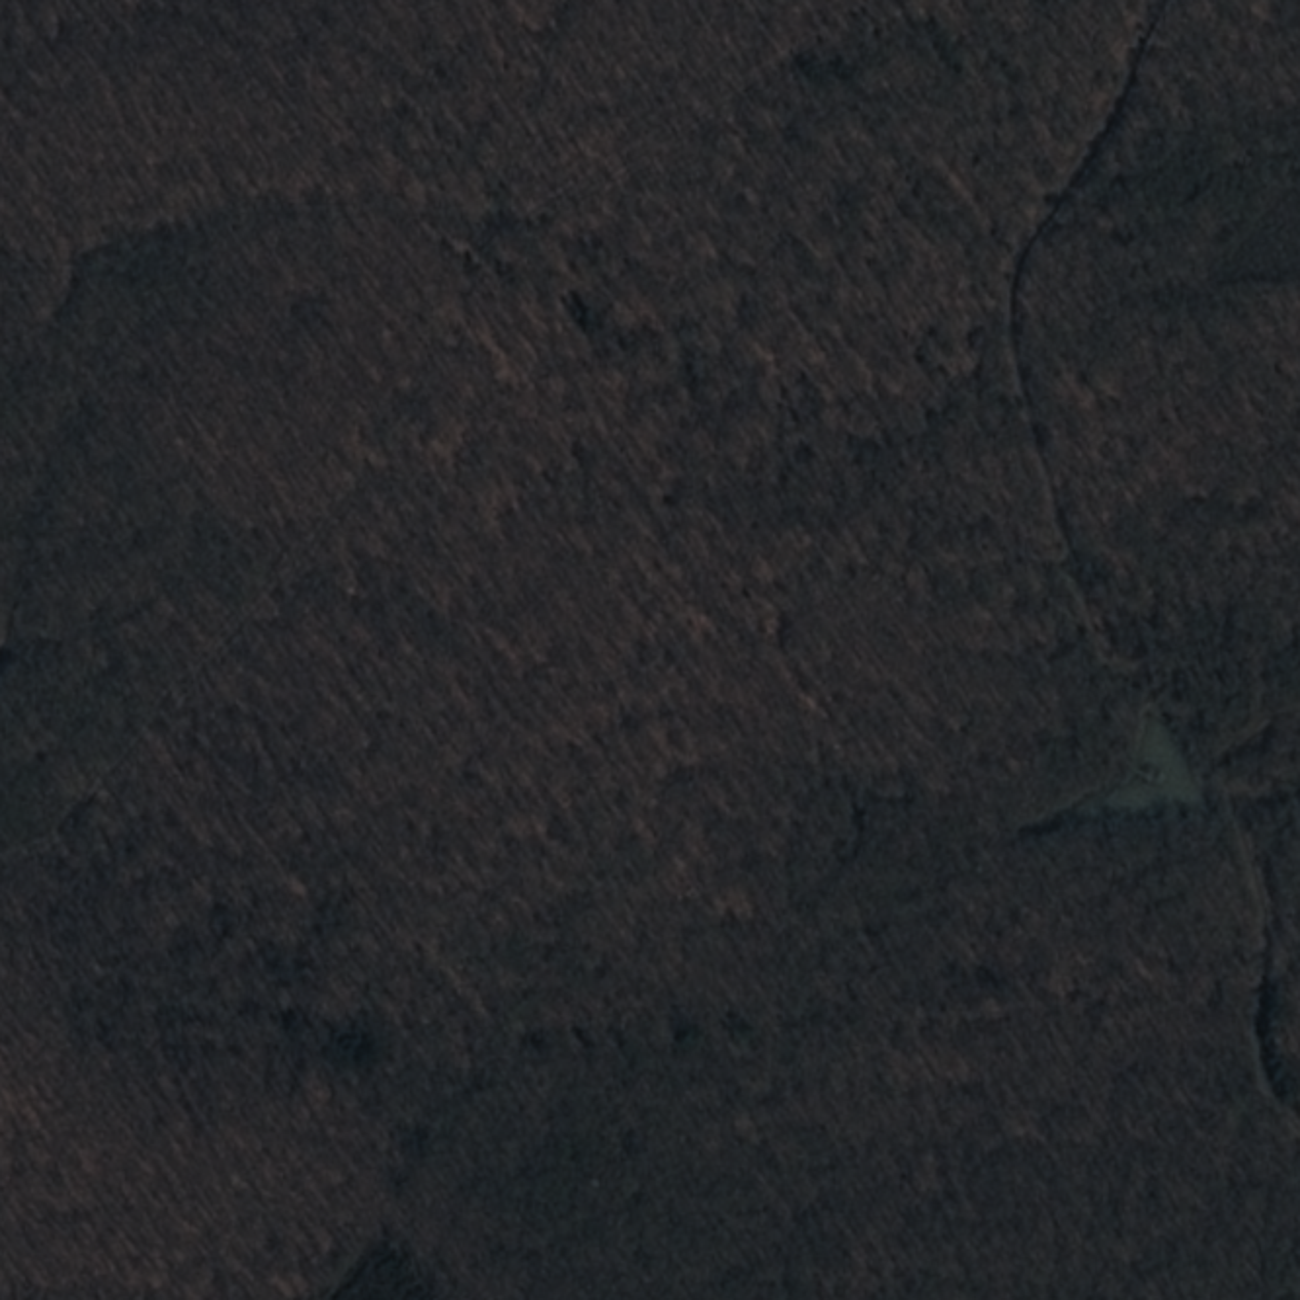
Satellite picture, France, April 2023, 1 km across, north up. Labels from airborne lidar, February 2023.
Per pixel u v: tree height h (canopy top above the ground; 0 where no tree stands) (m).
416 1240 20
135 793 25
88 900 28
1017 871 24
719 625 27
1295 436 19
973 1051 27
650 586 25
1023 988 27
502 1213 26
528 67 28
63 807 28
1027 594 20
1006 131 24
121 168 25
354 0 24
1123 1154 25
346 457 21
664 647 27
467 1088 30
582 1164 23
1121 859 28
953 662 24
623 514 23
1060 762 22
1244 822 11
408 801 23
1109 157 19
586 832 22
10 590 23
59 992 26
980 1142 24
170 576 26
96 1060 27
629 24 31
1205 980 25
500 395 26
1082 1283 26
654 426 26
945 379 20
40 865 26
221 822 28
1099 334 22
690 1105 27
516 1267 24
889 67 21
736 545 24
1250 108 23
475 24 23
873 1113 23
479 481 27
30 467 26
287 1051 28
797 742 25
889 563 18
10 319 25
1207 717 24
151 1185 24
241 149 21
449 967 24
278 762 25
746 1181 23
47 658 28
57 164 24
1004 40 22
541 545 24
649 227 28
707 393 25
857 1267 31
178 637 23
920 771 29
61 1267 22
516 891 25
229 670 26
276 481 23
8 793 18
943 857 22
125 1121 25
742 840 23
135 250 23
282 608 24
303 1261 21
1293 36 23
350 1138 26
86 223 26
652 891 25
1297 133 19
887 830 18
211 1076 28
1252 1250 27
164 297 24
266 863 28
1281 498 22
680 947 26
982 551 23
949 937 28
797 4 29
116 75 23
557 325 27
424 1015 23
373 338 22
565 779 25
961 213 24
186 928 29
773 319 24
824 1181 22
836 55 22
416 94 25
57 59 22
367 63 28
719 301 26
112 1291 17
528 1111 31
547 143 28
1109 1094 25
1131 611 23
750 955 26
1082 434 22
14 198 25
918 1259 30
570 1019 25
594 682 25
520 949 18
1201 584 23
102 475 26
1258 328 20
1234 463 24
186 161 24
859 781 23
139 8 18
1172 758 0
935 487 23
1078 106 25
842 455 24
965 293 22
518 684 22
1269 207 22
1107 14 25
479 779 24
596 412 25
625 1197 23
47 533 26
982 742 21
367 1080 25
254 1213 26
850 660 25
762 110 24
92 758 25
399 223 22
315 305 27
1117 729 28
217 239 25
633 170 28
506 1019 27
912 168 24
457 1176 27
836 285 25
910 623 25
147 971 30
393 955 29
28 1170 24
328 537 22
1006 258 23
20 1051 25
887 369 22
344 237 23
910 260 23
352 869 27
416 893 24
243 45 20
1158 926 24
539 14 24
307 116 25
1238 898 23
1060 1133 24
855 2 26
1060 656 9
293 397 23
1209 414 19
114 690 25
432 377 21
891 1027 25
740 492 25
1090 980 27
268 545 20
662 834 25
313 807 28
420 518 26
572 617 27
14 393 25
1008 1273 30
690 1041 26
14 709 27
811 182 25
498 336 27
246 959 28
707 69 30
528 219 25
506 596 26
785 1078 22
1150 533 19
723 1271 26
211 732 24
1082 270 20
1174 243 15
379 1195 27
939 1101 21
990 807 24
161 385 23
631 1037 21
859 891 20
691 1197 28
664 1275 27
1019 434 22
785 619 22
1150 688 10
